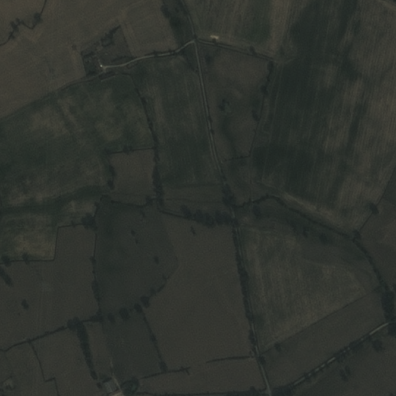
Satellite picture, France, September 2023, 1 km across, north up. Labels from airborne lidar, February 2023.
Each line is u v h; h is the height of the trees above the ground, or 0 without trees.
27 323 0
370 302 0
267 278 0
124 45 0
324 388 0
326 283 0
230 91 0
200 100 0
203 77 0
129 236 0
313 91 0
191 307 0
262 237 0
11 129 0
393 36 0
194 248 0
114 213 0
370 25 0
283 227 0
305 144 0
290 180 0
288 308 0
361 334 0
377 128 0
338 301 0
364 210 0
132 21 0
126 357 0
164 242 0
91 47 0
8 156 0
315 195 0
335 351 0
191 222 0
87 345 11
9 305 0
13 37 13
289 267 0
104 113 0
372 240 0
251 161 0
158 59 0
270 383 0
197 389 0
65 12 0
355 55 0
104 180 0
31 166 0
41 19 14
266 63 0
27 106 0
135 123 0
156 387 0
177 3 0
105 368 0
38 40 0
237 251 11
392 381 0
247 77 0
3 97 0
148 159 0
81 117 0
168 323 0
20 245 0
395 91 0
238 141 0
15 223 0
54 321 0
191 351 0
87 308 0
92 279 0
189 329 0
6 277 14
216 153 0
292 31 0
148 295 0
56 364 0
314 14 0
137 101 0
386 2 0
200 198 0
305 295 0
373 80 0
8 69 0
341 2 0
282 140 0
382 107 0
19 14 0
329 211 0
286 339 0
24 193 0
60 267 0
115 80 0
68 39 0
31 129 0
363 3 0
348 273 0
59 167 0
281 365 0
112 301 0
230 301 0
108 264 0
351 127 0
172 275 0
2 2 0
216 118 0
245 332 0
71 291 0
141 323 0
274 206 0
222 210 0
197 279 0
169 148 0
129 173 0
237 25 0
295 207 0
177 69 0
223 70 0
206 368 0
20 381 0
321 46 0
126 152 14
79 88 0
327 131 0
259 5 0
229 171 0
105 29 0
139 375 0
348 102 0
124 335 0
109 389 0
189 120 0
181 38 0
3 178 0
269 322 0
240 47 0
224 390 0
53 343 0
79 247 0
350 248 0
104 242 0
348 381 0
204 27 0
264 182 0
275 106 0
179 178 0
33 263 0
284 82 0
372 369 0
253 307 0
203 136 0
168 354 0
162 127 0
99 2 0
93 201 0
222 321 0
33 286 0
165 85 0
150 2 0
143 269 0
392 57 0
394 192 0
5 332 0
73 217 0
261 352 0
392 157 0
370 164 0
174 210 0
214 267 0
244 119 0
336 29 0
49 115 0
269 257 0
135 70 0
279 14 0
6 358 0
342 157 0
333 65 0
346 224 0
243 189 0
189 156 0
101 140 0
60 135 0
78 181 0
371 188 0
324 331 0
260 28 0
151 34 0
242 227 0
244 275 16
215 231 0
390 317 8
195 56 0
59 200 0
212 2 0
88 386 0
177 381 0
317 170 0
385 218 0
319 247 0
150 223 0
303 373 0
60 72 0
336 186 0
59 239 0
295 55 0
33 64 0
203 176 0
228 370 0
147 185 0
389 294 15
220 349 0
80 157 0
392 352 0
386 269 0
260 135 0
